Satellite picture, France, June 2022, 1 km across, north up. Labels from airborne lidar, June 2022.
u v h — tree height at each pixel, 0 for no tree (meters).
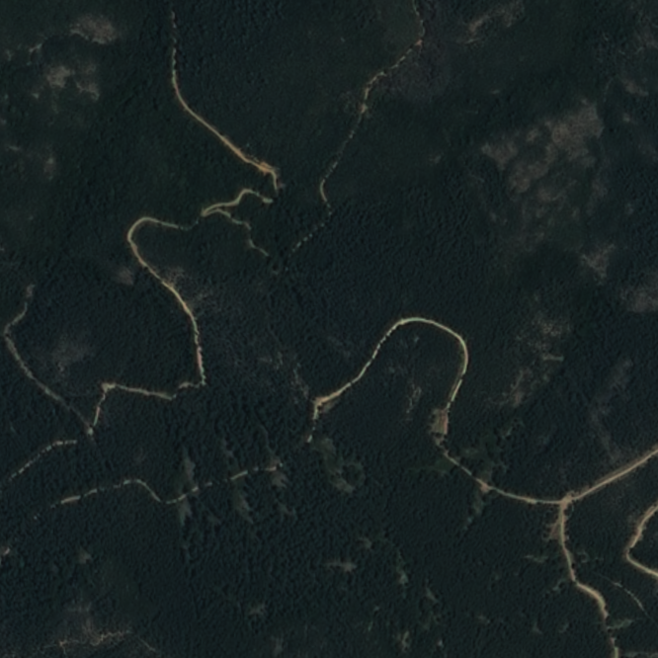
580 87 9
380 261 14
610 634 12
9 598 17
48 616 8
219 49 6
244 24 12
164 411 6
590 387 11
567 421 11
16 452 15
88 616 0
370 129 6
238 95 9
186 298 9
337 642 11
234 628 11
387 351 10
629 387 10
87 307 15
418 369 8
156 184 6
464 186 16
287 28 6
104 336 13
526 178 0
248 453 13
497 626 12
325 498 15
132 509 14
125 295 19
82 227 9
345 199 5
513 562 14
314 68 7
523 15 12
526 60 6
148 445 12
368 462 12
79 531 13
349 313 8
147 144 7
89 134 11
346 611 8
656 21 7
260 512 19
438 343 10
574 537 12
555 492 7
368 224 13
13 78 12
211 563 13
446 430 0
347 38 8
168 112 8
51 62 6
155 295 19
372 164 6
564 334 9
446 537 15
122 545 16
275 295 14
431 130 7
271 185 10
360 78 6
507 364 9
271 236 11
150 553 16
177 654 13
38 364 11
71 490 13
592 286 6
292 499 14
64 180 8
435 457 12
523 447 13
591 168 5
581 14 9
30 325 17
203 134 8
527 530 14
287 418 15
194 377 15
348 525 15
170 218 9
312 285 13
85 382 8
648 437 7
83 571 10
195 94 7
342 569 16
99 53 7
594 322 13
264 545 18
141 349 17
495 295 13
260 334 10
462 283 13
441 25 8
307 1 9
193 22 11
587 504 7
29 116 9
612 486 8
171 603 13
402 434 9
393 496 15
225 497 15
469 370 12
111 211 7
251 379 8
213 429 7
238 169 9
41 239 11
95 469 16
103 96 7
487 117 7
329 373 13
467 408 10
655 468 8
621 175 11
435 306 11
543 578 14
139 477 10
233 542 18
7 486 14
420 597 13
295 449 20
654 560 12
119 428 13
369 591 14
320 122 6
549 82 11
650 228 12
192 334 15
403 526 14
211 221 7
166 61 10
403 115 8
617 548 15
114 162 17
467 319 11
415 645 10
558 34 6
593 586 11
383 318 9
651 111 11
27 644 10
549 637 13
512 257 12
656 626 13
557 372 5
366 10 16
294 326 16
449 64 7
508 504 12
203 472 14
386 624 10
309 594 9
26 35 7
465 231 14
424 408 10
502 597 14
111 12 7
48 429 14
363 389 11
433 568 13
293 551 14
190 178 8
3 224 6
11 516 17
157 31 11
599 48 10
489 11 8
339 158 8
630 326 13
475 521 10
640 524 0
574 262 5
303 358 13
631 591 8
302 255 6
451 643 13
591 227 6
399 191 7
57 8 7
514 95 8
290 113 7
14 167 11
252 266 7
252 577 14
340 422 11
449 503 15
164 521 14
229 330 11
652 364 8
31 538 16
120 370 11
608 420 9
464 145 6
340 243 16
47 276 9
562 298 13
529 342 9
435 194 6
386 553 14
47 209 6
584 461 8
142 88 7
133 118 12
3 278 15
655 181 12
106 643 6
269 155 8
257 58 8
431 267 15
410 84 7
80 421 14
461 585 14
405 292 8
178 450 21
